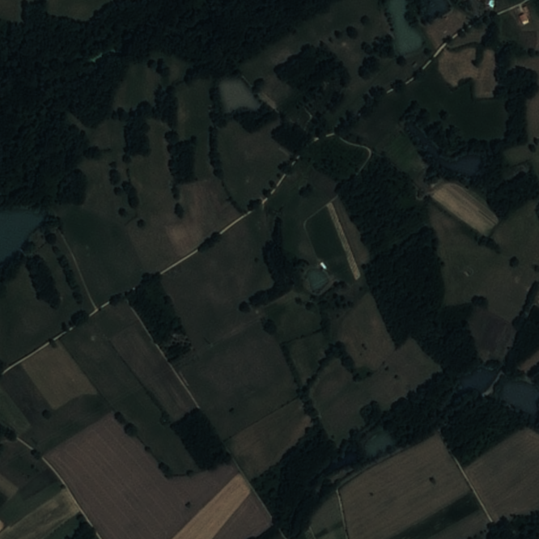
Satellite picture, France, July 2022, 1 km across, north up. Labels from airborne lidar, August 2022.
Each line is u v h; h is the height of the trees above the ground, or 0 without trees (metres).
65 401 0
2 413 0
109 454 0
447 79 0
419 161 0
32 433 0
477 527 0
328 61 9
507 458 0
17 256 20
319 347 0
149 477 0
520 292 0
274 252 30
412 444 18
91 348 0
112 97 18
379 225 18
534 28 0
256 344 0
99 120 17
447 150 18
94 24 19
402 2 0
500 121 0
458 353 22
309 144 24
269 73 0
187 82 15
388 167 16
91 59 18
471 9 11
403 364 0
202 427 20
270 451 0
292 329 0
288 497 20
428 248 14
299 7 24
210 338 0
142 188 0
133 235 0
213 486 0
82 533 13
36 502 0
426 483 0
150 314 11
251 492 0
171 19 27
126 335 0
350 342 0
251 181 0
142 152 23
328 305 8
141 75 0
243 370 0
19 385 0
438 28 0
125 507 0
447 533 0
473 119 0
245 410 0
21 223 0
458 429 14
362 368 0
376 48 20
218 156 16
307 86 6
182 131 0
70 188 17
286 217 0
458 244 0
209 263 0
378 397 0
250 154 0
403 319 18
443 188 0
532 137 0
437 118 0
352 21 0
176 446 0
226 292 0
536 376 17
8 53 27
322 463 17
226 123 15
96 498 0
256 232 0
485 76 0
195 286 0
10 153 19
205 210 0
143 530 0
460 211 0
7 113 19
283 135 17
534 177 12
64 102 16
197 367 0
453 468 0
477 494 0
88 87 25
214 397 0
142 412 0
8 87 28
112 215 0
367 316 0
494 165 19
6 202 16
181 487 0
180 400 0
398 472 0
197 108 0
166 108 22
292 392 0
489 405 9
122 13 21
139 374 0
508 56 22
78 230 0
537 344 16
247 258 0
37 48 27
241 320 0
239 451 0
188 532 0
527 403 0
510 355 12
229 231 0
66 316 0
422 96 0
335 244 0
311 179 0
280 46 0
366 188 14
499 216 12
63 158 13
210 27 21
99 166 0
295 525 20
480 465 0
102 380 0
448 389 18
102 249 0
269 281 0
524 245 0
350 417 0
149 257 0
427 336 12
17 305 0
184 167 16
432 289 20
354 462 11
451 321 7
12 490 0
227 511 0
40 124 8
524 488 0
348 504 0
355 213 11
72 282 19
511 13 0
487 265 0
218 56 34
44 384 0
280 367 0
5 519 0
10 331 0
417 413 21
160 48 33
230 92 0
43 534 0
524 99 13
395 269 16
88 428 0
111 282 0
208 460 18
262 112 14
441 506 0
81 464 0
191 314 0
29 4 19
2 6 0
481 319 0
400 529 0
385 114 0
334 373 0
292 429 0
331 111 23
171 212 0
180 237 0
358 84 0
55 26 14
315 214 0
